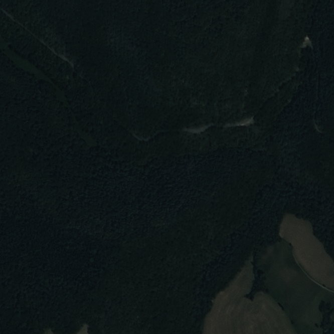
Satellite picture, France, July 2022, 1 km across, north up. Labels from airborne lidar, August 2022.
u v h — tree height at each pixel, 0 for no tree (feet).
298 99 79
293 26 24
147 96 30
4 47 0
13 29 41
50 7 45
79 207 94
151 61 45
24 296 72
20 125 90
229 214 59
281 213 70
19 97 50
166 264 39
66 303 57
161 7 58
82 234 48
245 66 39
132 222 52
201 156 57
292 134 36
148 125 54
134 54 27
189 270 60
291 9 29
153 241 65
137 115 45
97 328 52
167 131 65
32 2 37
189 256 38
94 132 73
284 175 33
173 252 37
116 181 64
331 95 66
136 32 44
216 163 78
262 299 0
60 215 69
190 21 54
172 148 73
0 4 75
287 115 54
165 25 59
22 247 51
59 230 49
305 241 0
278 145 28
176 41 47
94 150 53
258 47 54
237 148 54
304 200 95
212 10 57
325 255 0
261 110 80
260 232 73
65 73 63
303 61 65
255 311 0
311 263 0
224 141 45
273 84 34
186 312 48
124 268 52
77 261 49
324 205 93
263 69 35
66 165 91
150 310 57
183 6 56
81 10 61
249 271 0
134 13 54
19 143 95
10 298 73
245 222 73
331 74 69
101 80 61
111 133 60
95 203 85
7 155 77
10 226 57
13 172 58
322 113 57
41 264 38
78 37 70
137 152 83
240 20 30
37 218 58
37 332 54
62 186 81
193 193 63
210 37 26
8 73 70
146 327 45
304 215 68
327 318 47
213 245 51
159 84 42
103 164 71
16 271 58
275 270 0
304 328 0
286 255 0
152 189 117
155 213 69
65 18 55
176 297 64
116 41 21
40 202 58
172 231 46
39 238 57
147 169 72
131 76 31
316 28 51
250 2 50
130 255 59
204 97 35
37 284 102
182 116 67
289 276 0
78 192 63
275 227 72
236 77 32
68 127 73
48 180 84
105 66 72
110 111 59
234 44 41
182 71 20
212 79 22
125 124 54
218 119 23
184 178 57
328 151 85
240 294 0
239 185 68
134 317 37
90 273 46
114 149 61
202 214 39
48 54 60
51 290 64
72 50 58
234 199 62
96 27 58
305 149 48
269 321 0
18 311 71
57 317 44
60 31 67
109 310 28
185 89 48
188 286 76
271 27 58
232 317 0
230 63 30
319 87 45
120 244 47
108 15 33
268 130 65
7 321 58
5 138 71
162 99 35
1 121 105
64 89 75
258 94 59
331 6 77
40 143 84
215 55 35
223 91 26
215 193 45
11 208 51
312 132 66
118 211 91
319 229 74
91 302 47
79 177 96
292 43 55
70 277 57
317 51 58
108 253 63
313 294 0
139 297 44
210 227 29
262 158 52
